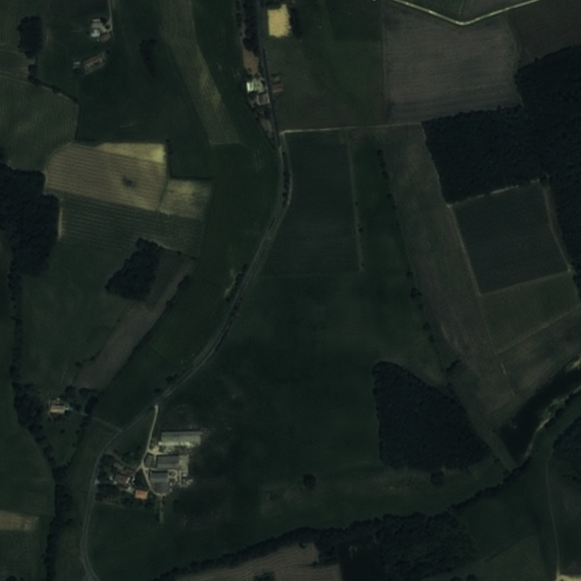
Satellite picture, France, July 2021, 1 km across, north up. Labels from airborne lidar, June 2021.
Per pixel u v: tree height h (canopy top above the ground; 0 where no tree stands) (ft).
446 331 0
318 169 0
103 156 0
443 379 0
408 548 31
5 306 0
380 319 0
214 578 0
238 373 0
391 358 0
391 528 52
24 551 0
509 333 0
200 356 0
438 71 0
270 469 0
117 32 0
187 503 0
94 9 0
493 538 0
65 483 0
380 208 0
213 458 0
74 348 0
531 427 0
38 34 66
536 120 50
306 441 0
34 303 0
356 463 0
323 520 0
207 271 0
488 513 0
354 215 0
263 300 0
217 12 0
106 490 42
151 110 0
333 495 0
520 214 0
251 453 0
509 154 55
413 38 0
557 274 0
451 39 0
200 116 0
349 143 0
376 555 0
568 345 0
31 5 0
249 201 0
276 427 0
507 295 0
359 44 0
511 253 0
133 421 0
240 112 0
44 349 0
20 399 66
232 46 0
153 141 0
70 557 0
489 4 0
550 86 38
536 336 0
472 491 0
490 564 0
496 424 0
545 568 0
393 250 0
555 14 0
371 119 0
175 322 0
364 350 0
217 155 0
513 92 0
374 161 0
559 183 63
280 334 0
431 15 0
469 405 0
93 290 0
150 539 0
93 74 0
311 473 0
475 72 0
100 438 0
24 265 77
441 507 0
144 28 0
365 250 0
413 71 0
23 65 0
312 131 0
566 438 46
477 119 51
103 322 0
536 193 0
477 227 0
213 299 0
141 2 0
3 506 0
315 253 0
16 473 0
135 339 0
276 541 42
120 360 0
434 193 0
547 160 75
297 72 0
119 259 0
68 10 0
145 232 0
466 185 50
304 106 0
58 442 0
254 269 0
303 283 0
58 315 0
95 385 0
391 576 34
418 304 34
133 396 0
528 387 0
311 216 0
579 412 0
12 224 110
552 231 0
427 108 0
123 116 0
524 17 0
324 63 0
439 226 0
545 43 0
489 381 0
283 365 0
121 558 0
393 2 0
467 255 0
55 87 29
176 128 0
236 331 0
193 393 0
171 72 0
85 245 0
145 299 37
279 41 0
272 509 0
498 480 0
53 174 0
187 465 0
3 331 0
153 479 0
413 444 61
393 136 0
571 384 0
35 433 57
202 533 0
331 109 0
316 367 0
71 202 0
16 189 77
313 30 0
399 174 0
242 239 0
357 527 61
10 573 0
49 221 76
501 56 0
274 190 0
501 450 0
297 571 0
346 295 0
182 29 0
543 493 0
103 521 0
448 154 55
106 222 0
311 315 0
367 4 0
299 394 0
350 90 0
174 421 0
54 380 0
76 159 0
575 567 0
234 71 0
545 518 0
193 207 0
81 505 0
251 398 0
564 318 0
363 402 0
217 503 0
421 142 0
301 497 0
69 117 0
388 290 0
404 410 59
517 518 0
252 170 0
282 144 0
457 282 0
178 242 0
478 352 0
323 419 0
